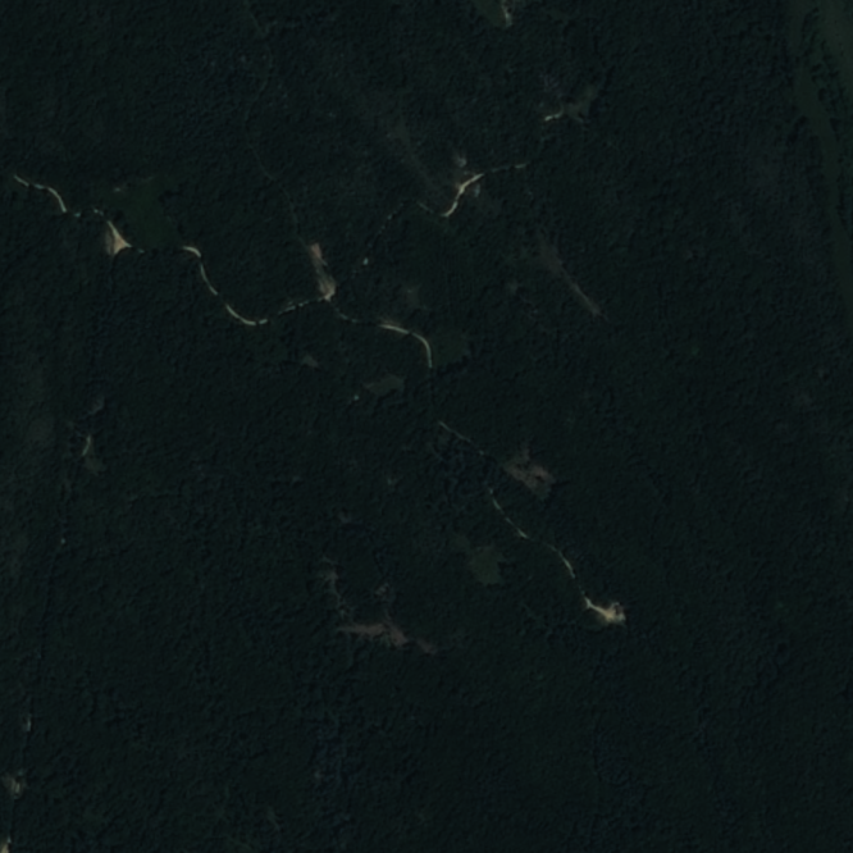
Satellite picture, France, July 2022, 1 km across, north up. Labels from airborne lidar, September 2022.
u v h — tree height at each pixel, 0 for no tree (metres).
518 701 9
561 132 12
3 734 8
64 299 14
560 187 14
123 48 11
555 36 16
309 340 17
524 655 11
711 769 13
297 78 19
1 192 12
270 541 13
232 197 15
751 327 13
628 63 12
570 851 20
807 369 19
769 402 13
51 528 18
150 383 14
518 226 17
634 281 12
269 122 16
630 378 12
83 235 11
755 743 19
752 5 18
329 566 13
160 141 7
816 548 17
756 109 16
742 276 15
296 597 14
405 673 12
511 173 10
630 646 11
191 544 13
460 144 12
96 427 18
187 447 10
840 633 18
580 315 12
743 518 19
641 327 11
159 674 17
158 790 8
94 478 10
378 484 12
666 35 11
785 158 12
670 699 12
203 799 11
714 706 17
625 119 9
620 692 19
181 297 12
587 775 14
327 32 20
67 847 10
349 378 7
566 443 12
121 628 15
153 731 12
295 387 11
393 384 0
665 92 7
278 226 9
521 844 16
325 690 15
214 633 12
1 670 12
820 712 14
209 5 12
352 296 20
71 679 13
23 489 8
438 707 13
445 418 11
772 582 20
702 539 12
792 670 20
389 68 7
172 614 12
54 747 18
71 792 16
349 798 12
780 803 22
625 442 14
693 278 13
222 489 10
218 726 14
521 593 14
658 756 13
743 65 12
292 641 21
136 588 11
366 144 13
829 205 12
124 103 9
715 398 16
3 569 12
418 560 10
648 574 12
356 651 8
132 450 14
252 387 12
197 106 9
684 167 14
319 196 8
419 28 10
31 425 8
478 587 11
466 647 9
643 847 20
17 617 11
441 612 10
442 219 14
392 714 16
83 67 13
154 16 14
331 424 10
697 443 20
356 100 6
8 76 12
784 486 20
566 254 18
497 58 19
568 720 15
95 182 20
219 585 15
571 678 13
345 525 10
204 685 17
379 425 13
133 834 11
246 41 12
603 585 8
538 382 12
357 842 15
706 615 13
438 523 16
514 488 19
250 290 11
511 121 8
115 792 12
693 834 19
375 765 15
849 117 11
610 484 14
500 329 11
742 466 11
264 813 12
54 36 13
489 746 18
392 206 10
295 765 15
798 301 11
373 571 14
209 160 7
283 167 15
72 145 12
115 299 16
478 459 23
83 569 13
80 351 10
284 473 14
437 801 15
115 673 15
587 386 21
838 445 11
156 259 14
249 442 11
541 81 18
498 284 6
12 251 17
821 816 14
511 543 11
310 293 8
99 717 18
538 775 10
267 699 11
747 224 9
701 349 17
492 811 20
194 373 15
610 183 8
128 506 11
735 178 22
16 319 12
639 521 16
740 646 15
